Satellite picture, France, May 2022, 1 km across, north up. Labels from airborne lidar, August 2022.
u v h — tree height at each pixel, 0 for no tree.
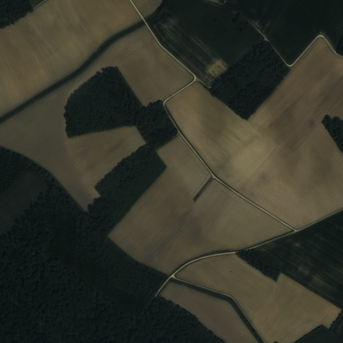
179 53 0
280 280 0
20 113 0
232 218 0
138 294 15
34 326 22
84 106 27
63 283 12
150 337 27
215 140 0
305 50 0
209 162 0
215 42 0
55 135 0
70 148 0
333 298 0
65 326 22
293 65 0
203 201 0
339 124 22
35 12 0
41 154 0
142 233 0
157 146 20
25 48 0
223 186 0
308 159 0
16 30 0
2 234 0
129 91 20
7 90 0
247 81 16
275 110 0
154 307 24
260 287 0
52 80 0
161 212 0
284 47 0
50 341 23
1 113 0
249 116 13
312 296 0
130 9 0
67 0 0
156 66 0
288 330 0
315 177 0
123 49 0
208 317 0
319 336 0
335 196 0
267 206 0
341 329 0
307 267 0
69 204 24
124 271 18
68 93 0
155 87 0
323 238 0
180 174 0
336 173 0
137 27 0
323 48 0
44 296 27
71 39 0
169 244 0
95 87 21
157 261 0
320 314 0
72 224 10
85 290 21
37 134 0
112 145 0
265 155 0
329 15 0
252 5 0
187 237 0
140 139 0
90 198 0
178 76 0
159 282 14
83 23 0
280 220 0
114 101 27
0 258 22
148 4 0
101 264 13
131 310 10
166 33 0
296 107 0
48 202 22
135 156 11
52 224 25
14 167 14
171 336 25
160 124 30
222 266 0
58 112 0
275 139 0
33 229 20
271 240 0
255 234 0
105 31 0
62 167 0
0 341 10
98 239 20
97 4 0
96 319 28
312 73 0
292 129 0
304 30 0
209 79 0
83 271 8
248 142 0
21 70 0
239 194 0
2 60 0
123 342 23
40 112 0
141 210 0
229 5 0
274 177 0
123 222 0
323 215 0
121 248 0
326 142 0
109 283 14
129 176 16
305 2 0
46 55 0
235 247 0
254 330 11
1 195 11
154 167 21
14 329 29
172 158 0
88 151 0
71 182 0
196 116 0
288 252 0
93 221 23
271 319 0
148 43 0
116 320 21
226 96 14
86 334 30
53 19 0
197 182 0
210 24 0
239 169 0
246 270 0
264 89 27
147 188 14
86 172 0
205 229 0
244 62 20
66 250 8
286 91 0
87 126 25
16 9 25
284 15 0
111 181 21
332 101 0
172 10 0
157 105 22
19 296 29
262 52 25
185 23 0
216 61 0
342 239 0
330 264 0
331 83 0
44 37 0
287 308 0
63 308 24
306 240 0
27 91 0
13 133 0
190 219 0
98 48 0
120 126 13
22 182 0
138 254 0
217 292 0
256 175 0
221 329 0
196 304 0
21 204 0
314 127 0
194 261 0
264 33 0
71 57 0
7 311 24
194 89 0
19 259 24
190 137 0
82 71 0
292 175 0
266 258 6
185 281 0
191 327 21
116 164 0
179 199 0
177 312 23
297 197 0
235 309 0
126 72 0
